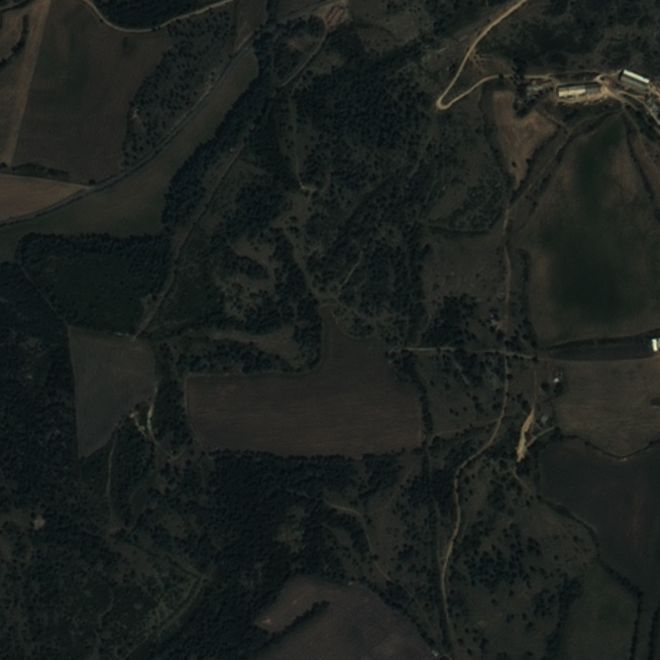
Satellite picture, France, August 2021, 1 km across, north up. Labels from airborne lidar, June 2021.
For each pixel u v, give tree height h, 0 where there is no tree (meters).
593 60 0
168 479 14
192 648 11
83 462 6
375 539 0
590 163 0
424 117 14
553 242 0
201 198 6
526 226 0
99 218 0
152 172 0
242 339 0
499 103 0
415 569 7
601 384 0
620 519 0
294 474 11
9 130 0
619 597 0
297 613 0
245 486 14
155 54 0
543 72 0
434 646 16
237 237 13
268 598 12
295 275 15
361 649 0
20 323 7
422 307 8
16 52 11
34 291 11
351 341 0
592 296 0
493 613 0
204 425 0
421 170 6
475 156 0
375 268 8
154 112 0
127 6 12
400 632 0
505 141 0
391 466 11
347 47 6
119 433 7
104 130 0
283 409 0
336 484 9
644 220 0
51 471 7
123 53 0
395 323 7
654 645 10
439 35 12
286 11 0
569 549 0
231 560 11
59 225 0
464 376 7
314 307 10
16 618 0
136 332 9
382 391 0
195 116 0
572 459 0
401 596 14
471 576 8
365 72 7
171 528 0
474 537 6
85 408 0
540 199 0
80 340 0
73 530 7
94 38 0
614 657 0
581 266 0
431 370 0
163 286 10
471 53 0
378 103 11
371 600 0
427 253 13
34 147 0
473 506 0
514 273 0
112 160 0
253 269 9
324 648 0
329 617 0
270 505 11
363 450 0
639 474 0
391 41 0
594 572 0
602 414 0
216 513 7
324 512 8
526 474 9
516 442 8
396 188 7
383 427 0
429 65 0
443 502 6
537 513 0
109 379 0
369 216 9
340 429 0
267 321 11
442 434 0
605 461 0
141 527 12
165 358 10
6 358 7
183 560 0
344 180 10
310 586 0
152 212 0
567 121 7
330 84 9
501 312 0
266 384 0
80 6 0
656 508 0
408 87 8
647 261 0
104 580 6
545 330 0
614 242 0
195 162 14
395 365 7
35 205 0
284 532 0
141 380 0
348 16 0
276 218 9
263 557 11
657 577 0
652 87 0
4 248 0
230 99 0
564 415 0
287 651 0
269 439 0
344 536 0
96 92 0
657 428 0
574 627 0
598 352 0
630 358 0
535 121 0
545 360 0
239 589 9
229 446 0
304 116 10
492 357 6
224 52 0
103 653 9
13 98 0
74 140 0
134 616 0
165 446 0
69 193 0
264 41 11
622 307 0
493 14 0
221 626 12
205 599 6
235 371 0
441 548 0
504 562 12
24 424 8
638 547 0
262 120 12
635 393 0
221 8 0
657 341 0
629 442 0
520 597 0
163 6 11
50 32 0
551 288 0
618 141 0
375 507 0
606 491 0
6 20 0
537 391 0
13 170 6
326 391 0
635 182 0
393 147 13
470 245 0
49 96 0
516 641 0
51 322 8
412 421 0
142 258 8
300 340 10
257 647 8
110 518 0
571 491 0
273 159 7
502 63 0
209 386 0
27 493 11
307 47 0
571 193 0
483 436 0
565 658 0
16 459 8
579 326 0
